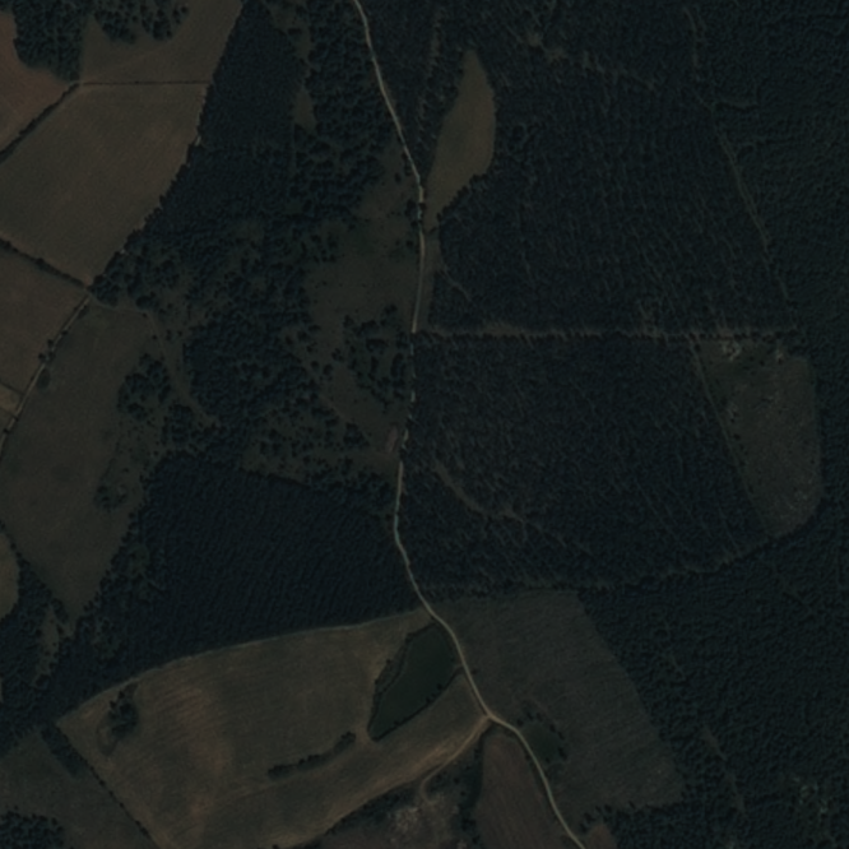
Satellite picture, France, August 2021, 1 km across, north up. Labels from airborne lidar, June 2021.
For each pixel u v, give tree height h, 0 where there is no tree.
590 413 13
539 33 17
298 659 0
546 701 0
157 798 0
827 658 14
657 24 14
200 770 0
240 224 16
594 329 15
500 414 13
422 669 0
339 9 10
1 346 0
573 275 13
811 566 12
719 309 11
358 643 0
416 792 0
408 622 0
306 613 15
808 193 12
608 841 0
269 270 13
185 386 0
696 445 16
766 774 12
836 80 15
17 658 14
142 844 0
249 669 0
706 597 10
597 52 15
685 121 12
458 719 0
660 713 13
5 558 0
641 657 9
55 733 14
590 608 14
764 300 12
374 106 8
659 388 15
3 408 0
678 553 15
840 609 17
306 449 8
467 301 14
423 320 0
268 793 0
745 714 14
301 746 0
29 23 14
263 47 19
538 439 11
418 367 15
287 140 20
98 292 10
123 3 7
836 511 13
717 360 0
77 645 13
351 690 0
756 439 0
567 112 14
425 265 0
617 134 14
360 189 13
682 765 9
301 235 13
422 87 13
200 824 0
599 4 14
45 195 0
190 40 0
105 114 0
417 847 0
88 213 0
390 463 0
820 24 11
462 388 17
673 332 11
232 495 15
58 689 13
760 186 9
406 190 0
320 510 12
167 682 0
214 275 10
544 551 16
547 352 16
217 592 13
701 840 13
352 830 0
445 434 14
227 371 12
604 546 15
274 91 18
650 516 16
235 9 0
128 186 0
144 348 0
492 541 13
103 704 0
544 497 13
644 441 16
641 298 10
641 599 16
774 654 14
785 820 14
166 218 16
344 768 0
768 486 0
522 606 0
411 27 12
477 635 0
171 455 10
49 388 0
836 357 14
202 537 17
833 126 8
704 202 10
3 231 0
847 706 9
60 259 0
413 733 0
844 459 13
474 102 0
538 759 0
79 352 0
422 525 19
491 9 17
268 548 12
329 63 11
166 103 0
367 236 0
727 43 12
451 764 0
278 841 0
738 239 15
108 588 7
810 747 16
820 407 6
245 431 9
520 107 16
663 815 15
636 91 11
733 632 12
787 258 11
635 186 11
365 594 16
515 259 15
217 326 12
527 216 15
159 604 13
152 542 16
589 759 0
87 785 0
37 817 8
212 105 19
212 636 16
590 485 12
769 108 12
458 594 12
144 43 0
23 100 0
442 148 0
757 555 8
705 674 14
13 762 0
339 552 13
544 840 0
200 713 0
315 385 13
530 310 13
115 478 0
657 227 13
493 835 0
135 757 0
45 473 0
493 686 0
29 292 0
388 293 0
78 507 0
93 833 0
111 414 0
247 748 0
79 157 0
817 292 9
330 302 0
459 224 14
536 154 15
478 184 9
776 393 0
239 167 20
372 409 0
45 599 13
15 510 0
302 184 14
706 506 17
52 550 0
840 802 9
